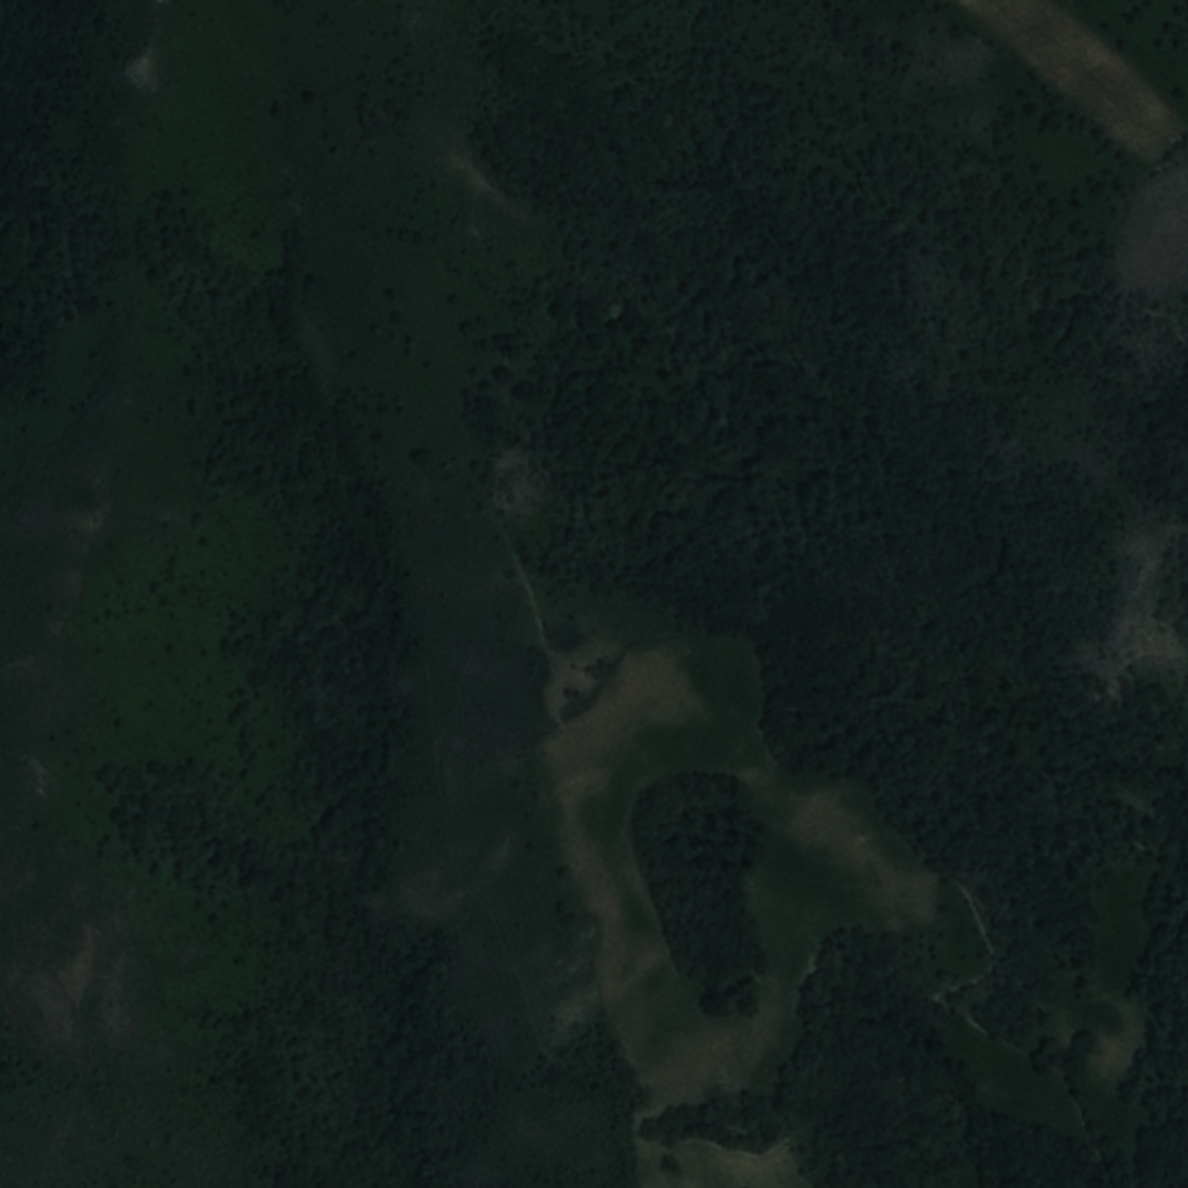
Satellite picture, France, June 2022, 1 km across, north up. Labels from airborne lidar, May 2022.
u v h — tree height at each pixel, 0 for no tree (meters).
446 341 0
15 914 0
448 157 0
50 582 0
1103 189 11
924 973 10
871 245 14
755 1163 0
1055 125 10
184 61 0
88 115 7
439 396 0
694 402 15
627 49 12
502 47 15
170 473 0
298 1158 9
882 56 9
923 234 9
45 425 0
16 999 0
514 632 0
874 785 9
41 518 0
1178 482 14
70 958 0
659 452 12
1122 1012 0
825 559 12
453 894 0
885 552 14
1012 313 7
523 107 17
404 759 6
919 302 9
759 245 11
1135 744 18
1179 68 0
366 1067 17
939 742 19
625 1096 9
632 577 8
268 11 0
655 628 0
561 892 0
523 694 0
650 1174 0
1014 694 23
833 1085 17
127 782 11
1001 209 8
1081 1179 15
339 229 0
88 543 0
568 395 8
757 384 16
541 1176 6
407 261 0
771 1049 0
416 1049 18
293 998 12
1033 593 20
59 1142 0
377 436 7
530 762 0
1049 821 25
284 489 9
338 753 15
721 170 13
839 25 10
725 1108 10
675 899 7
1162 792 9
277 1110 9
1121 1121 0
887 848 0
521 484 0
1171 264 0
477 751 0
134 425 0
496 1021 0
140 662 0
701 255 18
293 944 17
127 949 0
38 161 8
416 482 0
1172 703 8
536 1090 7
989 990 11
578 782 0
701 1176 0
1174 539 10
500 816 0
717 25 15
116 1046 0
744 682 0
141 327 0
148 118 0
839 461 17
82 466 0
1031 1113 0
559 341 9
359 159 0
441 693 0
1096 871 22
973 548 22
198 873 15
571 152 20
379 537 12
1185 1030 21
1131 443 12
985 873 13
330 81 0
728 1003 20
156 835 12
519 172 12
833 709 17
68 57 12
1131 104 0
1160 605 10
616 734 0
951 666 17
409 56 6
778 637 16
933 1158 23
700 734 0
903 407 13
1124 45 9
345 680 13
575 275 11
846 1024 20
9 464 0
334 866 15
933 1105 18
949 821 21
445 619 0
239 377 13
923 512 22
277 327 8
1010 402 7
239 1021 11
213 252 11
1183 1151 16
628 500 19
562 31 8
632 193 19
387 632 17
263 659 14
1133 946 0
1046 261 11
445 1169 12
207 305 11
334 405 6
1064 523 13
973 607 25
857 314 19
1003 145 10
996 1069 0
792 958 0
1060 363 6
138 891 0
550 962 0
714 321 19
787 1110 21
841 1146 10
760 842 17
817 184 12
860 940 19
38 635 0
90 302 10
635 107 16
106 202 9
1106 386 11
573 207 11
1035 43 0
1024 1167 21
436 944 8
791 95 7
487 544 0
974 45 0
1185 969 21
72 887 0
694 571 11
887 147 10
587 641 0
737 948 16
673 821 19
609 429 23
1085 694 7
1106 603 10
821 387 25
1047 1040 10
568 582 7
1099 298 11
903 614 20
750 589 10
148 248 11
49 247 9
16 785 0
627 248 16
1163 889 11
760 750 0
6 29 19
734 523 22
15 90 14
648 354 22
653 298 17
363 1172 18
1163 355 7
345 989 17
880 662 15
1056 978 16
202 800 13
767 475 23
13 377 15
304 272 7
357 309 0
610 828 0
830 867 0
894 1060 19
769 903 0
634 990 0
